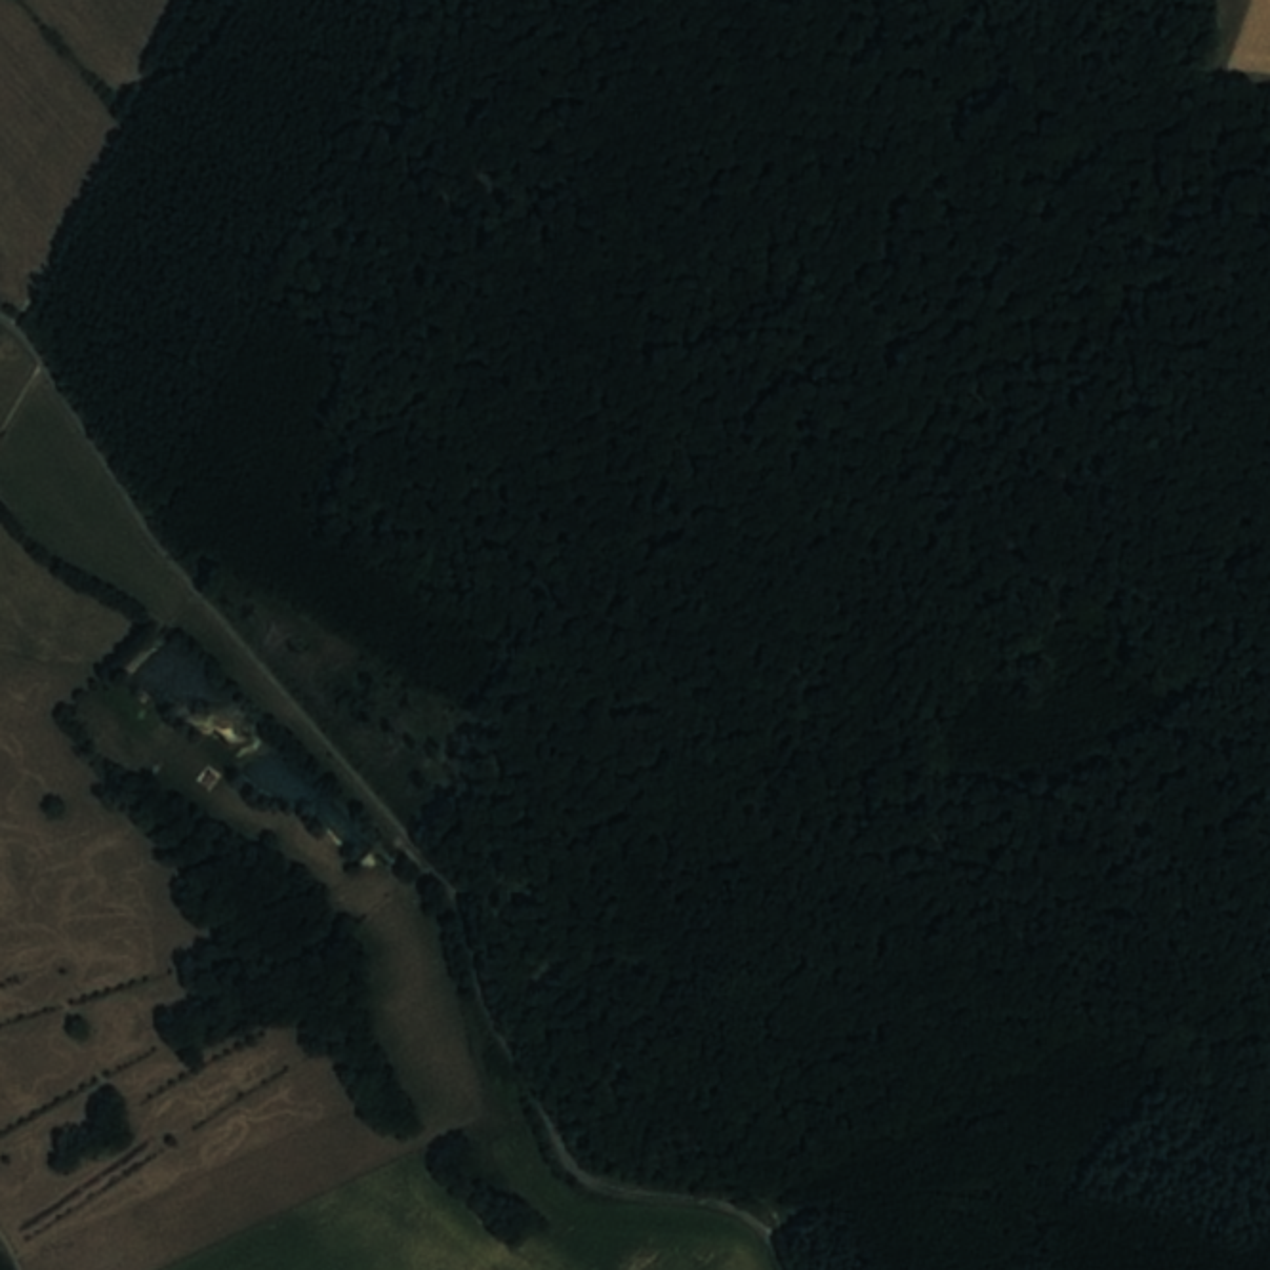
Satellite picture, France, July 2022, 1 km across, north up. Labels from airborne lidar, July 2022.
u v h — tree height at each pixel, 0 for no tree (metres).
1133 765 24
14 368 0
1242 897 27
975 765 8
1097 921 29
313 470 14
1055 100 25
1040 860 30
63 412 0
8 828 0
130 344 19
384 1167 0
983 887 27
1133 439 29
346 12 21
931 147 32
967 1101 12
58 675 0
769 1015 15
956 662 23
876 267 31
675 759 27
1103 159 26
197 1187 0
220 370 19
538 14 32
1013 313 28
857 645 13
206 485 9
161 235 18
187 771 0
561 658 31
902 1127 27
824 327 31
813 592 28
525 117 26
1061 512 33
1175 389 27
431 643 12
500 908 29
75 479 0
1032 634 27
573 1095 25
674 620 28
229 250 20
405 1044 0
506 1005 23
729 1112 26
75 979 0
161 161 18
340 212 32
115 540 0
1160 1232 26
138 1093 0
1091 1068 17
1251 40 0
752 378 28
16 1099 0
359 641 9
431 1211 0
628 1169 25
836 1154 23
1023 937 26
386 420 26
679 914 16
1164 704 8
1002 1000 29
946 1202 12
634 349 25
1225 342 27
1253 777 27
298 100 21
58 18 0
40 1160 0
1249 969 28
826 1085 28
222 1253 0
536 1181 0
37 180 0
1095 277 29
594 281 26
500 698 18
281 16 21
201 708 16
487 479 29
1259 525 27
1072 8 22
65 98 0
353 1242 0
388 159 32
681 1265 0
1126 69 26
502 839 31
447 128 32
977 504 26
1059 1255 14
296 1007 25
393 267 31
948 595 24
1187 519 26
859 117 32
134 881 0
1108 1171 30
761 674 27
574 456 28
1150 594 24
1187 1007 26
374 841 8
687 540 26
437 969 0
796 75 30
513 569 27
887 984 24
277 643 0
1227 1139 26
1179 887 28
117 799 23
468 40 32
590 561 28
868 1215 15
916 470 29
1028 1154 13
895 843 27
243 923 25
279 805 8
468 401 31
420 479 30
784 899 18
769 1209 0
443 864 27
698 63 27
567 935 24
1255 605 26
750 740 29
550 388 27
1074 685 7
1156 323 31
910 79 30
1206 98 28
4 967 0
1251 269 29
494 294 31
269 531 10
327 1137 0
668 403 26
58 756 0
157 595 0
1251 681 28
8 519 19
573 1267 0
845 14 30
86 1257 0
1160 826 27
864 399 31
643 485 27
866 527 31
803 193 31
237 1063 0
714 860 17
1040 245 32
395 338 31
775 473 29
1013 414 26
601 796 31
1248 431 29
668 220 29
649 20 27
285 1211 0
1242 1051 28
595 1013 26
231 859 26
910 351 28
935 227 28
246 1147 0
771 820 23
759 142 30
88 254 18
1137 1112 14
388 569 18
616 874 30
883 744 21
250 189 19
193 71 19
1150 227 14
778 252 27
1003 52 22
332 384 12
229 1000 28
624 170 29
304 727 0
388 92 26
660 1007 24
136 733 0
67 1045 0
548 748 33
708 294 27
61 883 0
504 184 33
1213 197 10
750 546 29
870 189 31
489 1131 0
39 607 0
